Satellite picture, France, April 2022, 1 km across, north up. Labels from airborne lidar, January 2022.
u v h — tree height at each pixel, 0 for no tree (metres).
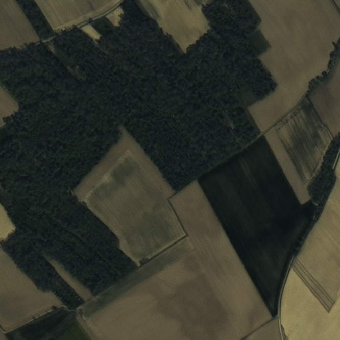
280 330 0
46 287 20
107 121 31
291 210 0
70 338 0
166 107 20
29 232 29
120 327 0
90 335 0
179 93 25
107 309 0
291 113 0
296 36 0
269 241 0
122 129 0
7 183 30
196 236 0
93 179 0
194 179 0
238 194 0
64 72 24
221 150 31
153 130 20
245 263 0
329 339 0
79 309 0
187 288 0
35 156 37
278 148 0
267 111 0
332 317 0
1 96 0
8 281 0
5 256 0
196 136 24
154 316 0
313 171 0
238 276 0
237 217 0
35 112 35
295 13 0
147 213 0
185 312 0
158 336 0
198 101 13
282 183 0
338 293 0
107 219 0
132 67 24
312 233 0
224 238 0
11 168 34
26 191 34
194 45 0
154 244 0
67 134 26
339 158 0
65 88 36
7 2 0
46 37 14
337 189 0
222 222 0
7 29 0
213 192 0
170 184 19
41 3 0
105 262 15
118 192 0
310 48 0
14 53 19
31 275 29
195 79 28
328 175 18
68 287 7
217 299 0
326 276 0
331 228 0
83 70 23
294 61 0
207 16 8
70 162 13
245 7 16
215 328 0
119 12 0
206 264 0
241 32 29
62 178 33
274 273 0
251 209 0
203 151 26
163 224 0
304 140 0
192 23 0
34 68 37
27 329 0
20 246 22
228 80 21
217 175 0
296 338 0
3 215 0
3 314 0
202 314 0
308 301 0
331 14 0
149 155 17
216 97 5
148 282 0
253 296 0
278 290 0
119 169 0
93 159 16
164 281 0
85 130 29
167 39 24
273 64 0
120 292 0
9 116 0
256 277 0
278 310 0
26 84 38
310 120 0
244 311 0
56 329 0
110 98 22
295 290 0
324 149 0
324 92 0
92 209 0
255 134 23
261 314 0
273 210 0
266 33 0
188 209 0
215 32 31
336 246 0
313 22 0
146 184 0
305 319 0
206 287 0
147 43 24
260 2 0
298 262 0
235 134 15
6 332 0
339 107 0
